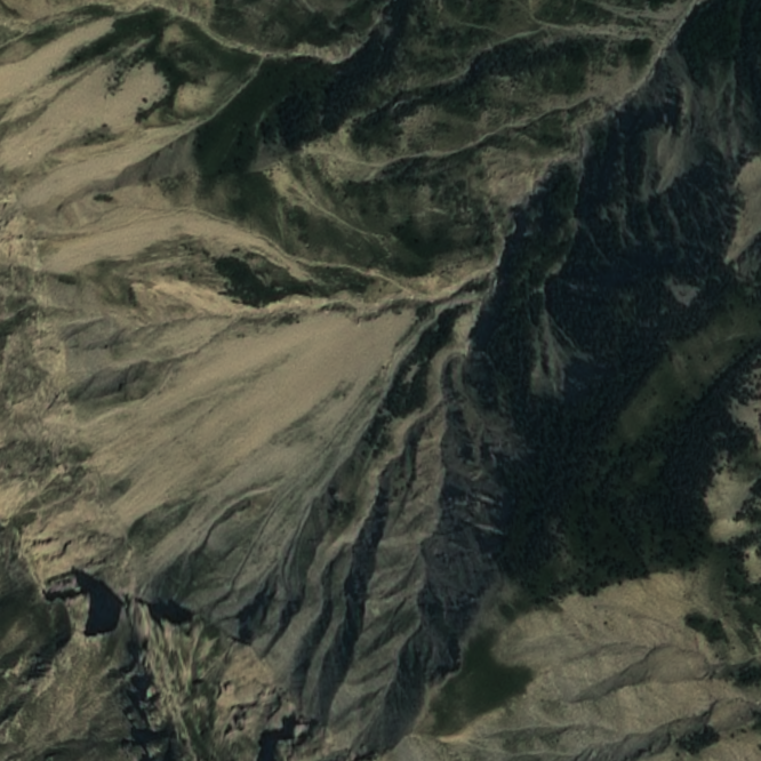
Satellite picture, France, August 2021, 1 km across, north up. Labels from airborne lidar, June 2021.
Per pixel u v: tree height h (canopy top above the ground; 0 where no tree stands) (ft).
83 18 0
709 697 0
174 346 0
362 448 0
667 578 0
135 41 0
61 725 0
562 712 0
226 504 0
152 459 0
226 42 0
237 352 0
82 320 0
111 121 0
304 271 0
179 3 0
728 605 0
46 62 0
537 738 0
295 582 0
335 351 0
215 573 0
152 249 0
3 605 0
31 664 0
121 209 0
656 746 0
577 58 25
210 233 0
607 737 0
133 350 0
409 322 0
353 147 0
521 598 0
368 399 0
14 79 0
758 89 28
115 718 0
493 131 0
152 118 0
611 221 20
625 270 28
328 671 0
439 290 0
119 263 0
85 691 0
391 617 0
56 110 0
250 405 0
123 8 0
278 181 0
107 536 0
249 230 0
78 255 0
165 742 0
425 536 0
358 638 0
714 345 0
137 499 0
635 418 0
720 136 0
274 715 0
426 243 0
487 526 0
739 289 21
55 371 0
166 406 0
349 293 0
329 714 0
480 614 0
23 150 0
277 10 0
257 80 0
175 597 0
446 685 0
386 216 0
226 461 0
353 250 0
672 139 0
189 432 0
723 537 0
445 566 0
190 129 0
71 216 0
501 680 0
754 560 0
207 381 0
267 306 0
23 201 0
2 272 0
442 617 0
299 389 0
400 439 0
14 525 0
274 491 0
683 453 28
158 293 0
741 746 0
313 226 0
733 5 22
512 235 0
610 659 0
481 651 0
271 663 0
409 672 0
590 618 0
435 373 0
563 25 0
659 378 0
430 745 0
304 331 0
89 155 0
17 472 0
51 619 0
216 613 0
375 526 0
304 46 0
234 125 0
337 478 0
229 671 0
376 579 0
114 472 0
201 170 0
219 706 0
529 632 0
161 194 0
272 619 0
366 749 0
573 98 0
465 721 0
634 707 0
